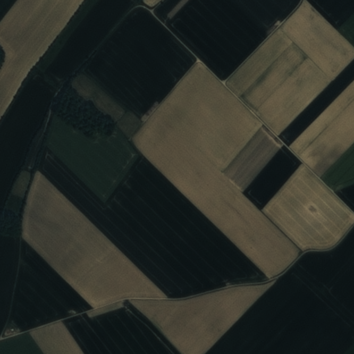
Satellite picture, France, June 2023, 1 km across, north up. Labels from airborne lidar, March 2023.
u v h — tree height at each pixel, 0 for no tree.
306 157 0
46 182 0
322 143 0
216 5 0
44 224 0
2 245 0
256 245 0
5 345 0
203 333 0
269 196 0
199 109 0
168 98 0
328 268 0
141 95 0
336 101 0
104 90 0
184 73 0
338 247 0
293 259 0
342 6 0
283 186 0
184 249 0
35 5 0
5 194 0
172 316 0
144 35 0
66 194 0
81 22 0
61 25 0
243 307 0
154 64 0
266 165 0
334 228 0
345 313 0
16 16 0
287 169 0
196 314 0
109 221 0
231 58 0
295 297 0
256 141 0
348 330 0
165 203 0
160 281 0
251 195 0
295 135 0
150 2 0
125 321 0
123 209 0
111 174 0
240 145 0
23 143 0
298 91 0
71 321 0
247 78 0
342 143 0
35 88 0
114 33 0
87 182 0
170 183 0
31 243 0
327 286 0
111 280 0
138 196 0
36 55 0
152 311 0
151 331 0
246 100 0
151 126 0
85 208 0
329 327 0
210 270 0
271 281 0
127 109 0
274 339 0
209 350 0
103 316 0
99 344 0
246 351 0
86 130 8
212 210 0
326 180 0
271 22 0
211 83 0
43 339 0
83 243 0
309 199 0
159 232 0
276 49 0
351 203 0
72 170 0
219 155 0
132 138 0
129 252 0
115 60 0
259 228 0
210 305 0
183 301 0
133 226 0
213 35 0
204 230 0
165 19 0
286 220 0
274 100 0
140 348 0
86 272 0
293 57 0
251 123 0
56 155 0
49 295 0
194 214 0
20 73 0
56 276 0
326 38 0
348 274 0
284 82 0
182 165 0
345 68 0
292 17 0
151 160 0
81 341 0
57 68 0
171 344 0
